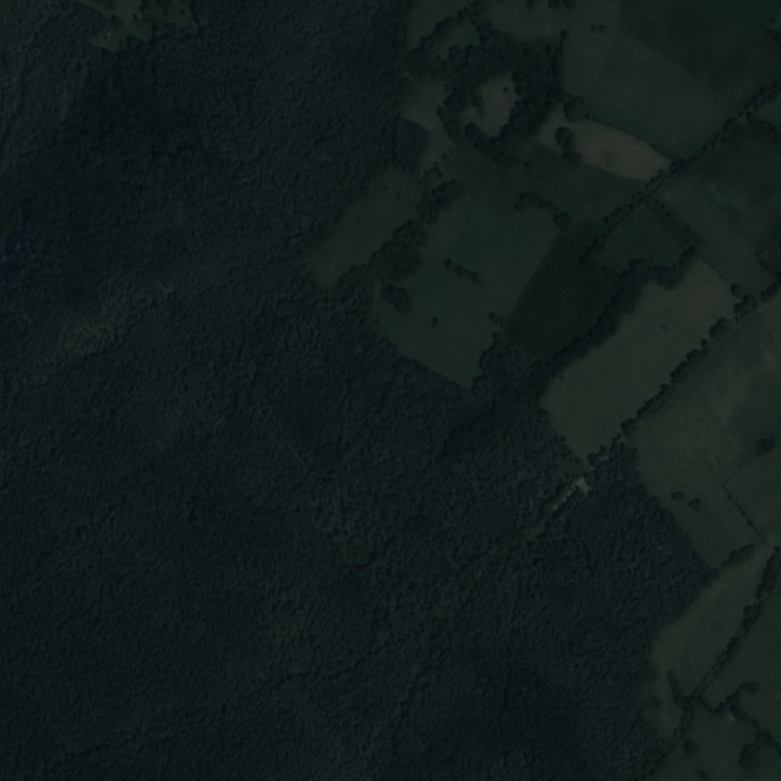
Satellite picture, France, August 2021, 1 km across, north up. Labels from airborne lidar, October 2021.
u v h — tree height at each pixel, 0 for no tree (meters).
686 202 0
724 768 0
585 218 0
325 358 11
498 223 0
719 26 0
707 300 0
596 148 0
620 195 0
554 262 0
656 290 0
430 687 17
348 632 17
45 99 12
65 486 17
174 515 17
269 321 7
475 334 0
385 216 0
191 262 14
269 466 20
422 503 10
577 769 11
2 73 11
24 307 16
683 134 0
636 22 0
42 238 21
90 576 15
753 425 0
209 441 16
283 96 13
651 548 15
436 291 0
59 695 21
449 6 0
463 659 15
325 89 16
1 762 19
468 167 0
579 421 0
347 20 15
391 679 20
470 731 21
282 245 7
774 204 0
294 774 17
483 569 13
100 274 16
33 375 13
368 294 8
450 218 0
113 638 24
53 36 20
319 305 16
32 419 16
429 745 18
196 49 21
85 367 19
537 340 0
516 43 8
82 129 13
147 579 22
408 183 0
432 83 0
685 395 0
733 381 0
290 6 14
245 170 21
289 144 16
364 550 8
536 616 14
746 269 0
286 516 21
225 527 18
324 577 14
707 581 18
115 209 29
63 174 28
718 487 0
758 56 0
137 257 21
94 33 18
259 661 17
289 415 23
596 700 19
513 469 15
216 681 18
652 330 0
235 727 21
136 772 25
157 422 23
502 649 13
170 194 25
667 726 0
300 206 15
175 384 24
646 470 0
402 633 15
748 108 8
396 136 22
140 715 15
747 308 11
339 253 0
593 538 18
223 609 25
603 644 17
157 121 15
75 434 11
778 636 0
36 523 18
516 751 18
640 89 0
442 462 21
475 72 19
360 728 23
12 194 20
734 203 0
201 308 21
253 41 21
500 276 0
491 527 12
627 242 0
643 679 13
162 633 20
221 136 15
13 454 11
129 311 11
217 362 18
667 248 0
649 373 0
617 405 0
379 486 14
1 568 21
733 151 0
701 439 0
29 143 14
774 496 0
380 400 10
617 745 17
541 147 0
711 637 0
